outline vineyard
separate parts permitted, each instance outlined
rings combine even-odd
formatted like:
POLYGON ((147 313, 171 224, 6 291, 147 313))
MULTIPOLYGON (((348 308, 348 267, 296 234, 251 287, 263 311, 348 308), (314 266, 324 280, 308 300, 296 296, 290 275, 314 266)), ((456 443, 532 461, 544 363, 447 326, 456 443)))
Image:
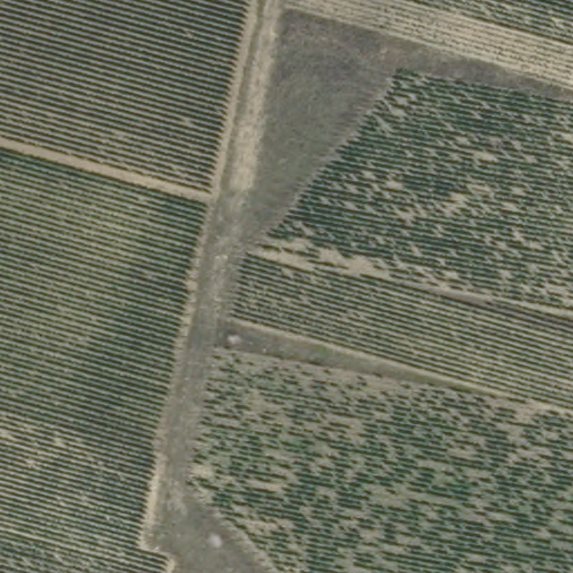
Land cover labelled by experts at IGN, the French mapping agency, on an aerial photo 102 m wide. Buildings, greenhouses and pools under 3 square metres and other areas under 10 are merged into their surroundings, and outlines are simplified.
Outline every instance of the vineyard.
POLYGON ((0 0, 0 573, 573 573, 573 0, 0 0))

